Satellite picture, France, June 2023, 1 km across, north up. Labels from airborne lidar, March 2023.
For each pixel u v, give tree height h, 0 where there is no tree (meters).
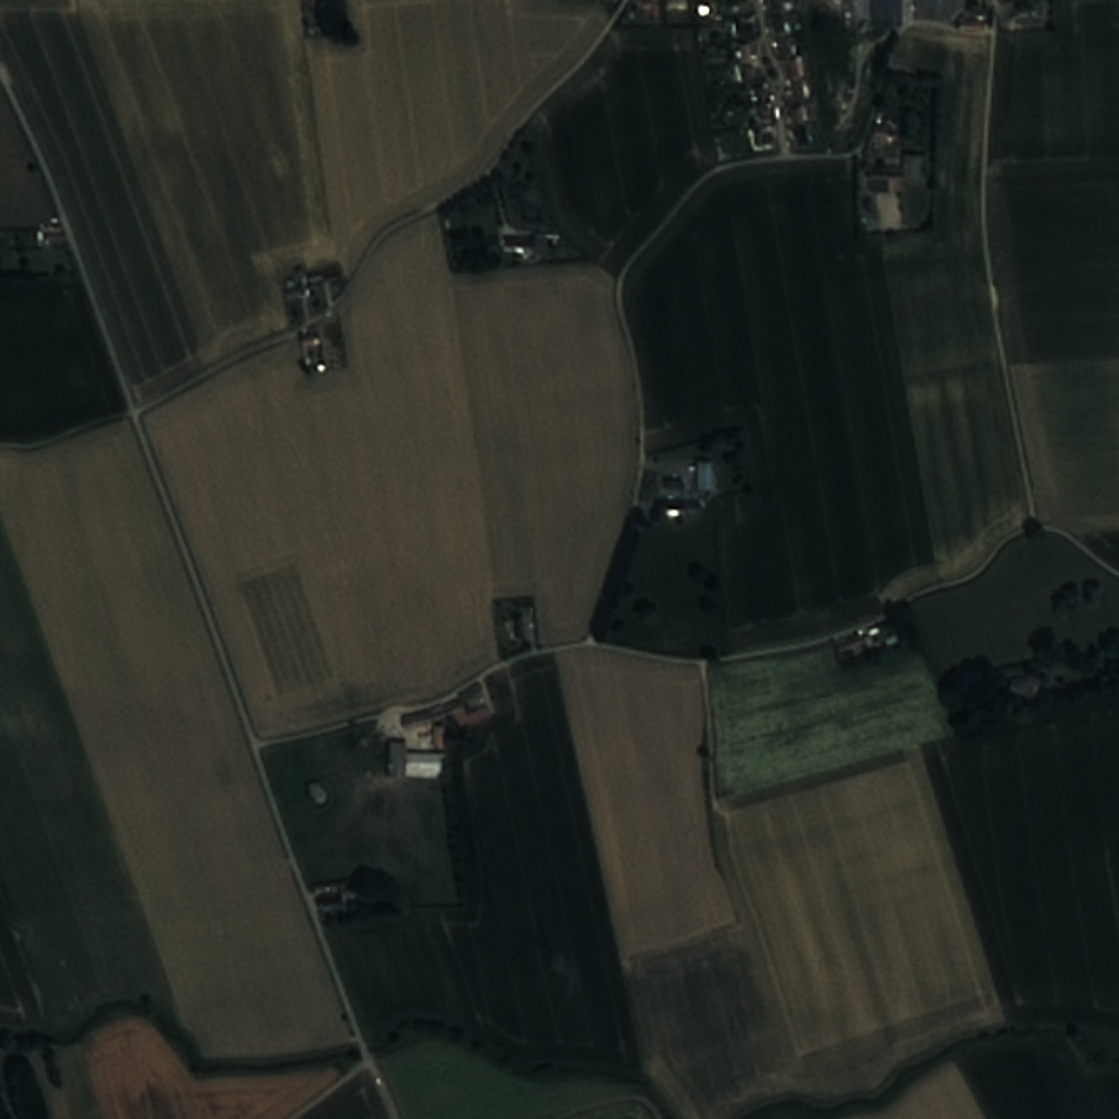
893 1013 0
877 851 0
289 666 0
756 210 0
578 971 0
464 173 0
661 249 0
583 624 0
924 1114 0
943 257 0
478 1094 0
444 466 0
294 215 0
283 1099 0
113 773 0
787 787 0
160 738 0
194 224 0
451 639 0
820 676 0
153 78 0
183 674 0
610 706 0
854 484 0
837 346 0
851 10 0
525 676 0
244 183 0
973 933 0
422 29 0
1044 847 0
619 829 0
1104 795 0
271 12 0
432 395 0
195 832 0
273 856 0
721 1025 0
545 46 0
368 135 0
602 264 0
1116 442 0
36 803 0
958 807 0
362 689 0
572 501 0
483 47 0
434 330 0
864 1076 0
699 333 0
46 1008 0
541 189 0
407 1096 0
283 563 0
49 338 0
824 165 0
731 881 0
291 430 0
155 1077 0
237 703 0
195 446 0
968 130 0
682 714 0
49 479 0
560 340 0
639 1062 0
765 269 0
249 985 0
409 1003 0
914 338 0
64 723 0
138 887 0
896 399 0
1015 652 0
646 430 0
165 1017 0
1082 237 0
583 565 0
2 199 0
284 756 0
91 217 0
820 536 0
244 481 0
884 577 0
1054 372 0
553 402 0
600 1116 0
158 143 0
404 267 0
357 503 0
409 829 0
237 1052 0
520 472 0
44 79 0
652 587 0
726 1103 0
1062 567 0
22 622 0
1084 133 0
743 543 0
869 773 0
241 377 0
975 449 0
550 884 0
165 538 0
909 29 0
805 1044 0
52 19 0
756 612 0
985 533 0
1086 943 0
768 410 0
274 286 0
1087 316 0
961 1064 0
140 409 0
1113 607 0
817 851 0
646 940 0
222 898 0
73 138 0
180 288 0
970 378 0
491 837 0
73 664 0
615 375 0
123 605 0
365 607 0
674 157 0
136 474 0
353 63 0
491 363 0
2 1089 0
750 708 0
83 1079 0
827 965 0
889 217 0
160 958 0
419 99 0
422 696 0
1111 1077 0
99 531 0
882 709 0
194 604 0
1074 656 19
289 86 0
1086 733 0
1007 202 0
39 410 0
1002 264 0
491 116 0
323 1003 0
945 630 0
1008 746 0
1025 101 0
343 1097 0
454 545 0
